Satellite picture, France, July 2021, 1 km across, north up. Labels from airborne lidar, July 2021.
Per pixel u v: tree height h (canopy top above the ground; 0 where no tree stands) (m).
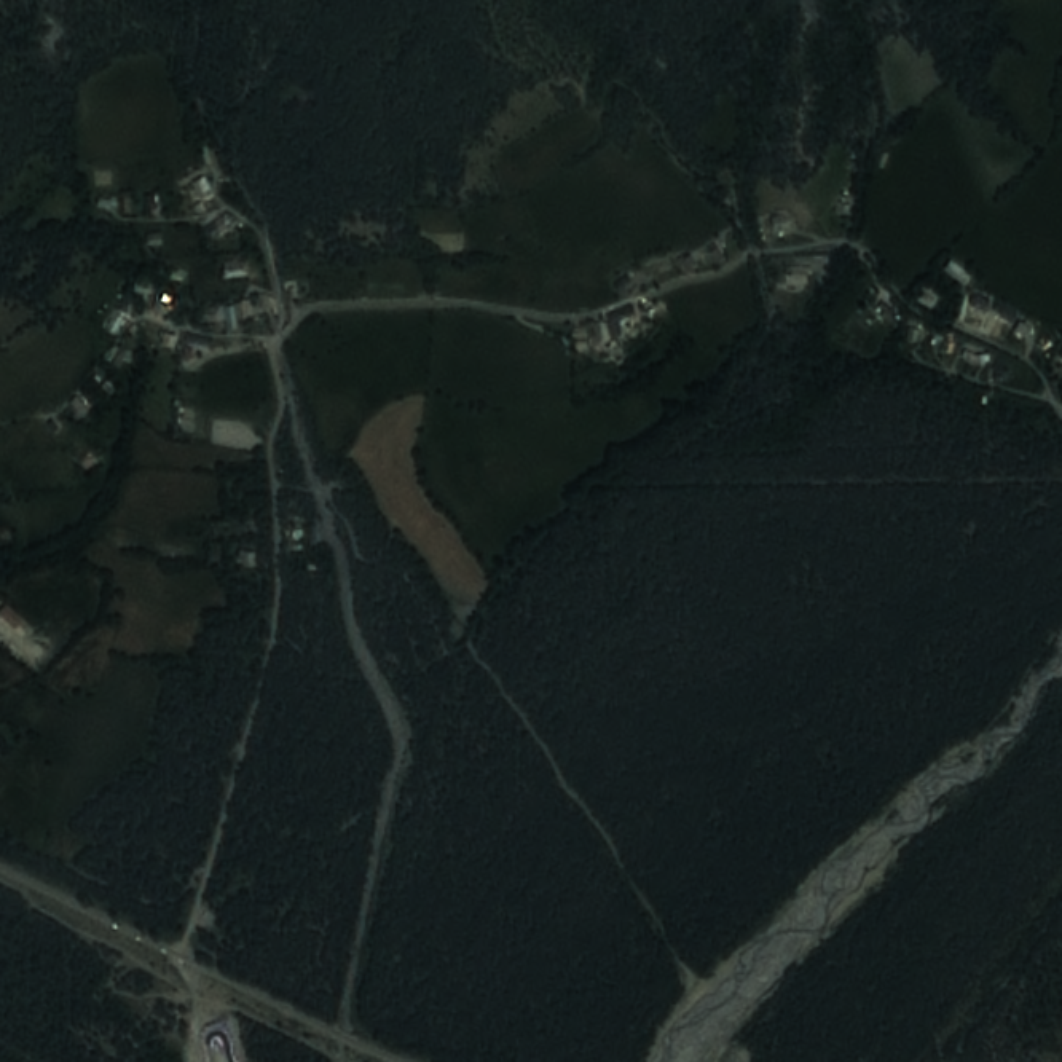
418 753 7
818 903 0
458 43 12
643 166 0
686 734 9
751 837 10
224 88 17
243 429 0
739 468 13
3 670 0
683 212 0
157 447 0
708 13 24
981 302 0
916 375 12
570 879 10
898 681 8
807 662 9
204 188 0
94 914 0
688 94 12
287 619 12
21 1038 10
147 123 0
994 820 6
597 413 0
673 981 7
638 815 10
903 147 0
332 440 0
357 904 8
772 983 0
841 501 9
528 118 0
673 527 12
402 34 5
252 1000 0
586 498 13
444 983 9
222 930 7
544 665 8
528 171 0
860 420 9
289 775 11
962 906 9
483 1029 12
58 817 0
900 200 0
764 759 8
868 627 8
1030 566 9
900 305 7
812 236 0
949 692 9
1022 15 0
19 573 11
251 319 8
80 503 0
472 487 0
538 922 9
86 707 0
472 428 0
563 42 16
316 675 10
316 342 0
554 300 0
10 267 11
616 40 18
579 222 0
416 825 8
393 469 0
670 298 0
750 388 13
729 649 10
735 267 0
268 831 7
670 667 9
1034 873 9
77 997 10
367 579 12
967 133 0
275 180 14
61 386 0
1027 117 0
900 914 8
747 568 10
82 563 12
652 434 20
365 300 0
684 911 10
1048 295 0
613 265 0
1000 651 9
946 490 9
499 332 0
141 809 12
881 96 13
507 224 0
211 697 13
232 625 10
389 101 12
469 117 13
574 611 8
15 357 0
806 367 19
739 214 6
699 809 9
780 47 6
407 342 0
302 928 7
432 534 0
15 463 0
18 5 10
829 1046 8
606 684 8
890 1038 8
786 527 11
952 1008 8
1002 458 10
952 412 11
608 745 8
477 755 8
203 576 0
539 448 0
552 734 10
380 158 11
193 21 18
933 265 8
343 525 10
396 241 10
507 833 9
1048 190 0
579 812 9
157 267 16
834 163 0
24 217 10
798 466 11
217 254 7
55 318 8
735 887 11
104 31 18
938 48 13
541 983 9
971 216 0
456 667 11
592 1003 9
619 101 12
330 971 9
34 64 6
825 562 10
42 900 0
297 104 14
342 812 9
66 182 9
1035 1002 10
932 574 8
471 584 0
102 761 0
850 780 8
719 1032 0
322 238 6
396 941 11
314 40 13
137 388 7
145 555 11
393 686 6
